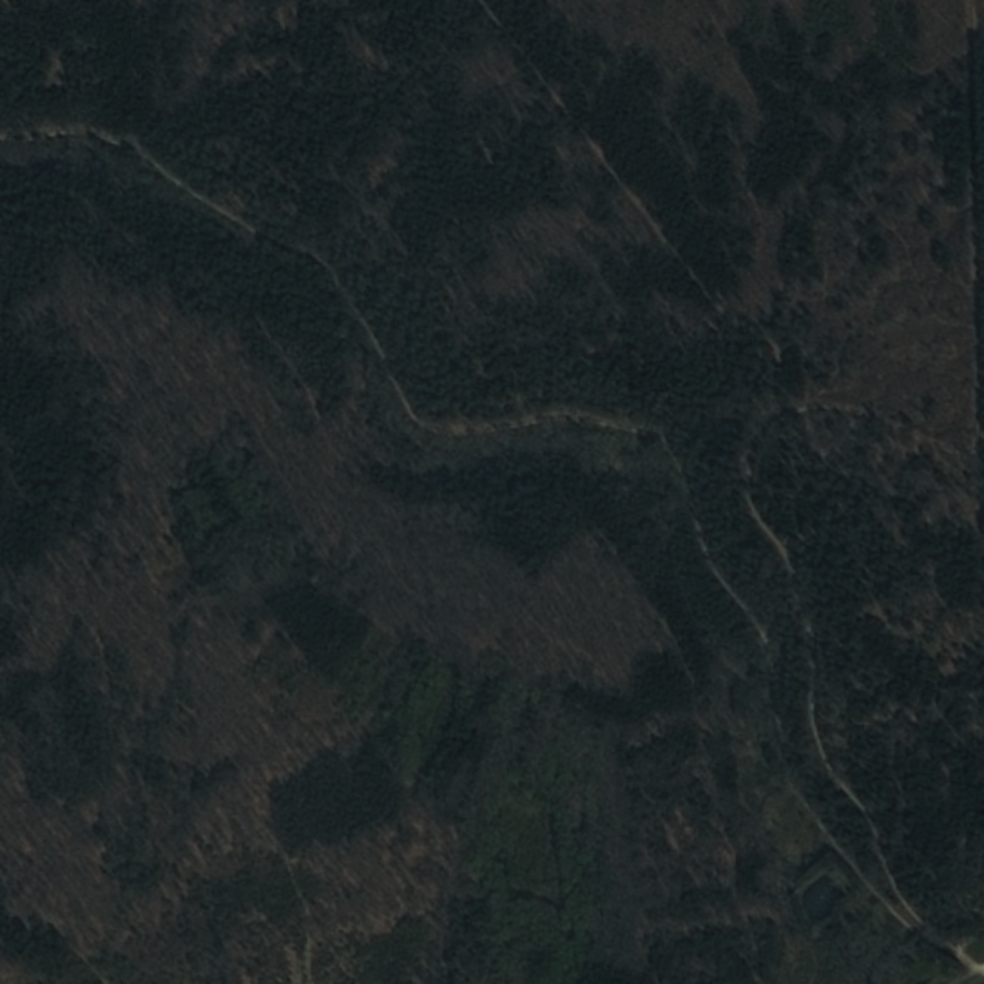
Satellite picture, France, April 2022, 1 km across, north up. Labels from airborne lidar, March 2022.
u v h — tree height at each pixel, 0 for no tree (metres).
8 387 26
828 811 27
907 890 21
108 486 27
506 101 23
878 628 15
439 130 30
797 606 31
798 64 22
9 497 27
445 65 30
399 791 20
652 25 18
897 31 15
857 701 8
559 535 24
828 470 27
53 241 26
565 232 0
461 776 27
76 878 27
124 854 19
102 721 25
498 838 29
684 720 24
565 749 30
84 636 25
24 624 22
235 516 29
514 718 26
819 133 25
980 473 25
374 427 14
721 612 23
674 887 29
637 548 18
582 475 22
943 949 22
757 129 20
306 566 12
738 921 23
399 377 27
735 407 28
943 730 17
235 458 31
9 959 21
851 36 14
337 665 26
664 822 25
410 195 25
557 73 25
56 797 23
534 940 29
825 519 13
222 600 25
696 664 24
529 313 28
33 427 27
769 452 21
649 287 23
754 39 14
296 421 26
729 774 28
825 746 8
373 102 30
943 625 12
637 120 23
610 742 29
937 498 23
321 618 24
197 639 27
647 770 26
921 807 12
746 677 24
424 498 29
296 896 6
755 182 22
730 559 25
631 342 32
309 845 20
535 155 28
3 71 27
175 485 27
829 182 22
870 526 28
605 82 23
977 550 27
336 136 27
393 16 30
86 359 29
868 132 6
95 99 15
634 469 24
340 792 21
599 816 32
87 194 23
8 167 20
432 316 35
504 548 17
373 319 33
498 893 22
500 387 15
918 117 16
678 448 24
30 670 22
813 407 0
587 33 7
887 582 32
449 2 29
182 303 29
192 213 25
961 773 13
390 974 7
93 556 24
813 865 13
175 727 22
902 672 11
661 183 24
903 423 10
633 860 35
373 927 21
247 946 7
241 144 26
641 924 34
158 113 15
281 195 34
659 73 22
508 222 24
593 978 29
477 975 32
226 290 31
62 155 18
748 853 23
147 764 20
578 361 31
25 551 28
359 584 30
